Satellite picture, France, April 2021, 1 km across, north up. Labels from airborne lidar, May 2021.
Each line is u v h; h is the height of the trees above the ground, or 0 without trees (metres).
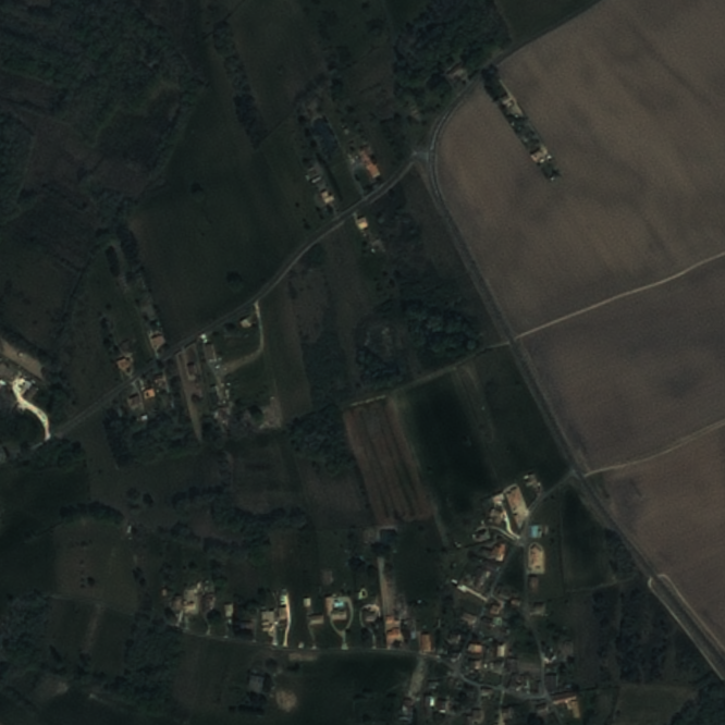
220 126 0
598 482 0
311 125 7
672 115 0
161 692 13
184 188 0
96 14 14
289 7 0
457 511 0
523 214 0
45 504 0
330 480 0
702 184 0
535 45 0
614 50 0
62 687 0
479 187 0
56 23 21
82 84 19
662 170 0
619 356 0
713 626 0
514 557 0
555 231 0
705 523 0
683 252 0
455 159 0
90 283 0
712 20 0
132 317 0
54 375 12
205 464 0
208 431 17
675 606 0
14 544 0
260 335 0
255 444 0
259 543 20
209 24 0
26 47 23
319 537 0
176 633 13
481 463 0
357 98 0
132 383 0
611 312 0
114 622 0
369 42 0
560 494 0
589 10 0
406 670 0
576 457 0
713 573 0
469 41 12
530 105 0
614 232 0
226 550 19
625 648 9
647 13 0
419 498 0
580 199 0
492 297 0
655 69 0
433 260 0
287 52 0
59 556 0
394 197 13
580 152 0
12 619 8
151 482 0
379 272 0
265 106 0
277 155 0
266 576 0
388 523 0
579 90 0
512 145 0
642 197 0
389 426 0
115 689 12
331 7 0
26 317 0
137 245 18
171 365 11
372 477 0
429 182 0
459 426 0
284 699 0
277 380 0
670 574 0
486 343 0
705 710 19
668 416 0
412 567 0
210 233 0
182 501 15
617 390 0
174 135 14
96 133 14
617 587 0
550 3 0
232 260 0
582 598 0
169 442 19
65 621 0
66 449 6
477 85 0
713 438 0
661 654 7
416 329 25
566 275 0
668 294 0
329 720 0
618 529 0
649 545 0
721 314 0
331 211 12
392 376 19
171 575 9
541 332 0
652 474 0
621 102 0
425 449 0
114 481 0
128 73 19
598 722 13
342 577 0
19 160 18
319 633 0
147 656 11
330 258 0
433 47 16
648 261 0
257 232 0
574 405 0
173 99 6
